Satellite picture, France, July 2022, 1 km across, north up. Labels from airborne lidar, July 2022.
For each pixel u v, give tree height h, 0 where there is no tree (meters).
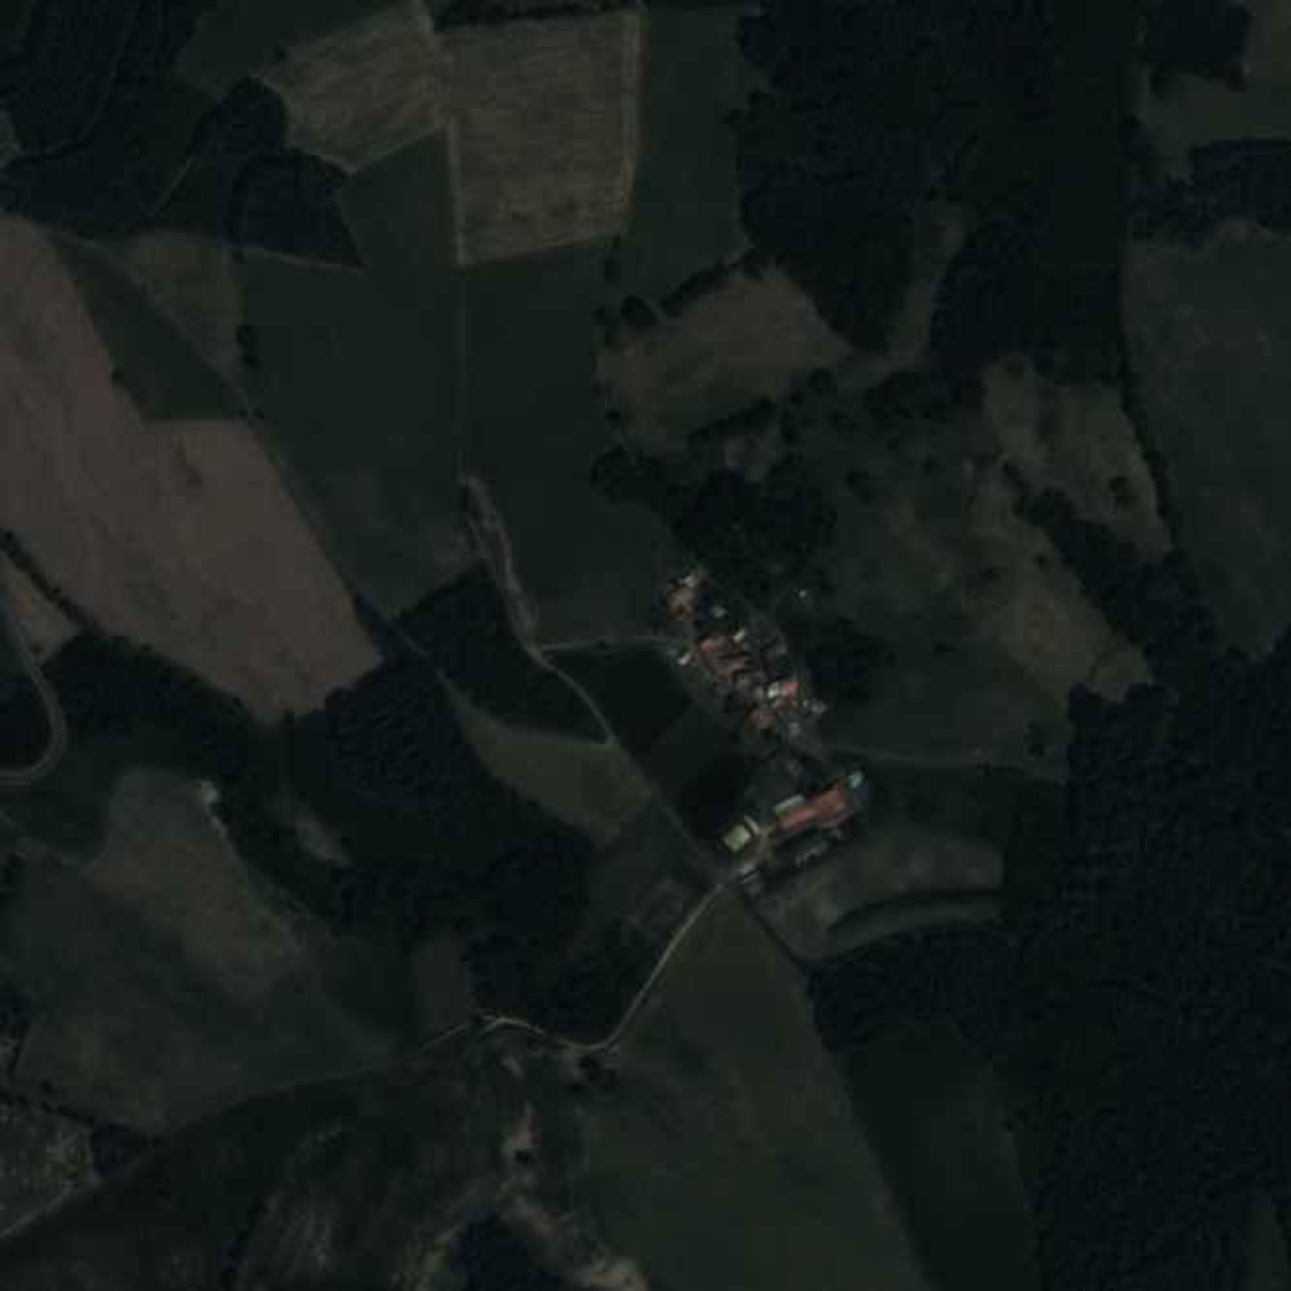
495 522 0
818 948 0
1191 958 12
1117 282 13
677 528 21
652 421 0
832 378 21
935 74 27
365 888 10
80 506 0
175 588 0
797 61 31
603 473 16
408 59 0
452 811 19
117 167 29
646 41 0
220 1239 0
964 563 0
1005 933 7
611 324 6
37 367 0
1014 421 0
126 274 0
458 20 14
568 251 0
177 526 0
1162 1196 8
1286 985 21
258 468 0
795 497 6
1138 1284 28
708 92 0
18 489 0
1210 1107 18
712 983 0
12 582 0
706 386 0
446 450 0
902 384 19
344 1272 0
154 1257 0
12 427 0
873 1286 0
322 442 0
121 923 0
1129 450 0
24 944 0
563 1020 10
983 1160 0
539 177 0
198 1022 0
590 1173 0
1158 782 25
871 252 27
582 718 15
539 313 0
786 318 0
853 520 0
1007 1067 7
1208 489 0
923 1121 0
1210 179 26
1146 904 25
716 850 0
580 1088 14
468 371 0
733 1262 0
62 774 0
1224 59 10
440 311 0
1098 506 0
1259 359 0
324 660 0
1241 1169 14
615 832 0
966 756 0
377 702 21
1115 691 0
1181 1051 12
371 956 0
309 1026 0
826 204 24
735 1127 0
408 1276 0
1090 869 26
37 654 0
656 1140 0
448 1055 0
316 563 0
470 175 0
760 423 26
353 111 0
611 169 0
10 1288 0
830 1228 0
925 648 0
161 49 26
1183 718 8
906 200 28
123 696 14
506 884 24
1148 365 0
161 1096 0
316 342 0
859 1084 0
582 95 0
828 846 7
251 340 16
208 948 0
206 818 0
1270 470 0
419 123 0
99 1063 0
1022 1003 12
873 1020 16
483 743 0
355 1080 0
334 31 0
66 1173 0
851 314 26
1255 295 0
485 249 0
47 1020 0
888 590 0
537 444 0
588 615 0
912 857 0
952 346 20
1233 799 24
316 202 24
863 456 0
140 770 0
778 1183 0
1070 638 0
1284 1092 14
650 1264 0
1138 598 19
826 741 0
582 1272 0
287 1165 0
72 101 26
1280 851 6
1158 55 10
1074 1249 17
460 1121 0
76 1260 0
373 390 0
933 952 15
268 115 25
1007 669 0
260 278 0
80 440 0
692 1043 0
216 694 10
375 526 0
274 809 0
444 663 11
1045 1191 10
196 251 0
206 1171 0
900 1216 0
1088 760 19
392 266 0
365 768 13
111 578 0
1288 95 0
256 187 22
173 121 0
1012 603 0
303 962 0
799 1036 0
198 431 0
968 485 0
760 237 17
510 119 0
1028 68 22
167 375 0
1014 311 19
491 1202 0
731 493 26
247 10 0
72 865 0
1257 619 0
